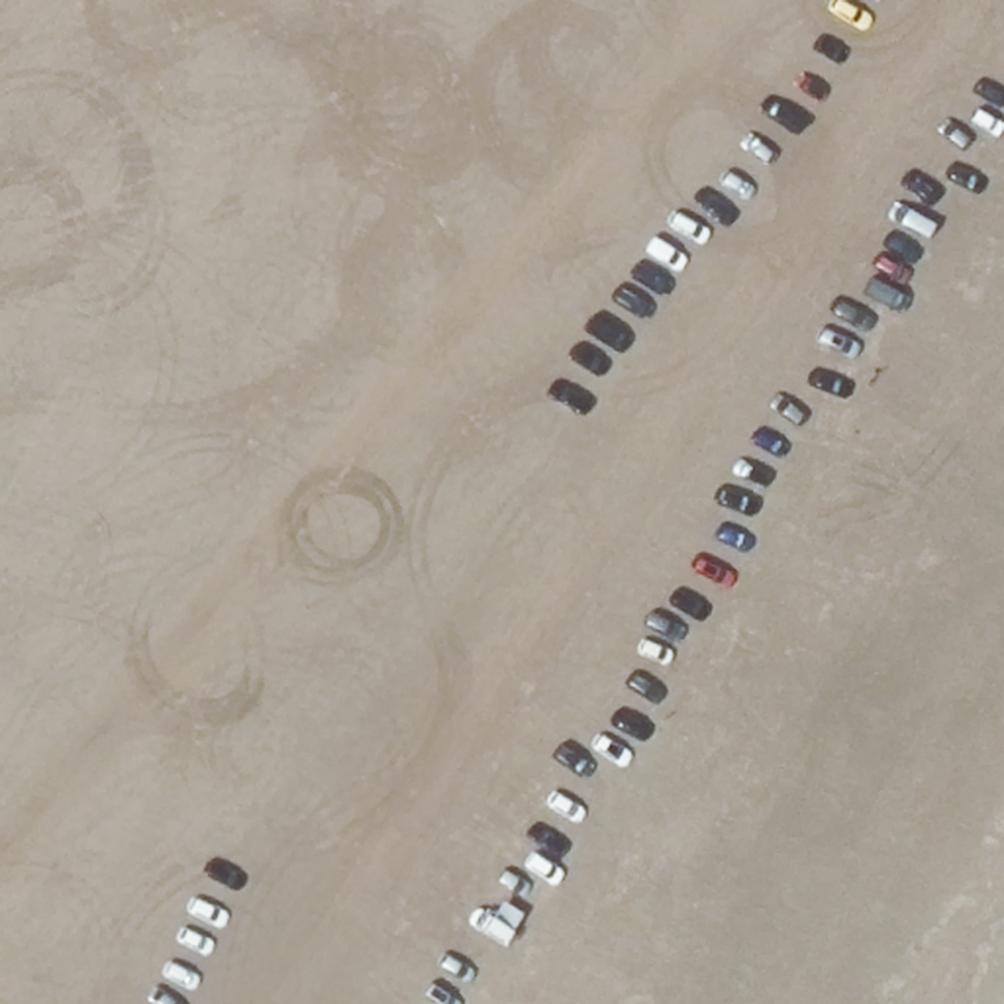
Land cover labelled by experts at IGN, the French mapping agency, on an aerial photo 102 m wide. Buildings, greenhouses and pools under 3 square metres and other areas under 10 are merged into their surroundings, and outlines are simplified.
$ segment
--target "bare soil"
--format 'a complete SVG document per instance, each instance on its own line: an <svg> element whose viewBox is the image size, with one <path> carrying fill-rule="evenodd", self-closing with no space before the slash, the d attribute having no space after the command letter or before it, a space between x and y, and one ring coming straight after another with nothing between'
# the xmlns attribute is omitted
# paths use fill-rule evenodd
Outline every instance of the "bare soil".
<svg viewBox="0 0 1004 1004"><path fill-rule="evenodd" d="M0 0L0 1004L1004 1004L1004 0Z"/></svg>

